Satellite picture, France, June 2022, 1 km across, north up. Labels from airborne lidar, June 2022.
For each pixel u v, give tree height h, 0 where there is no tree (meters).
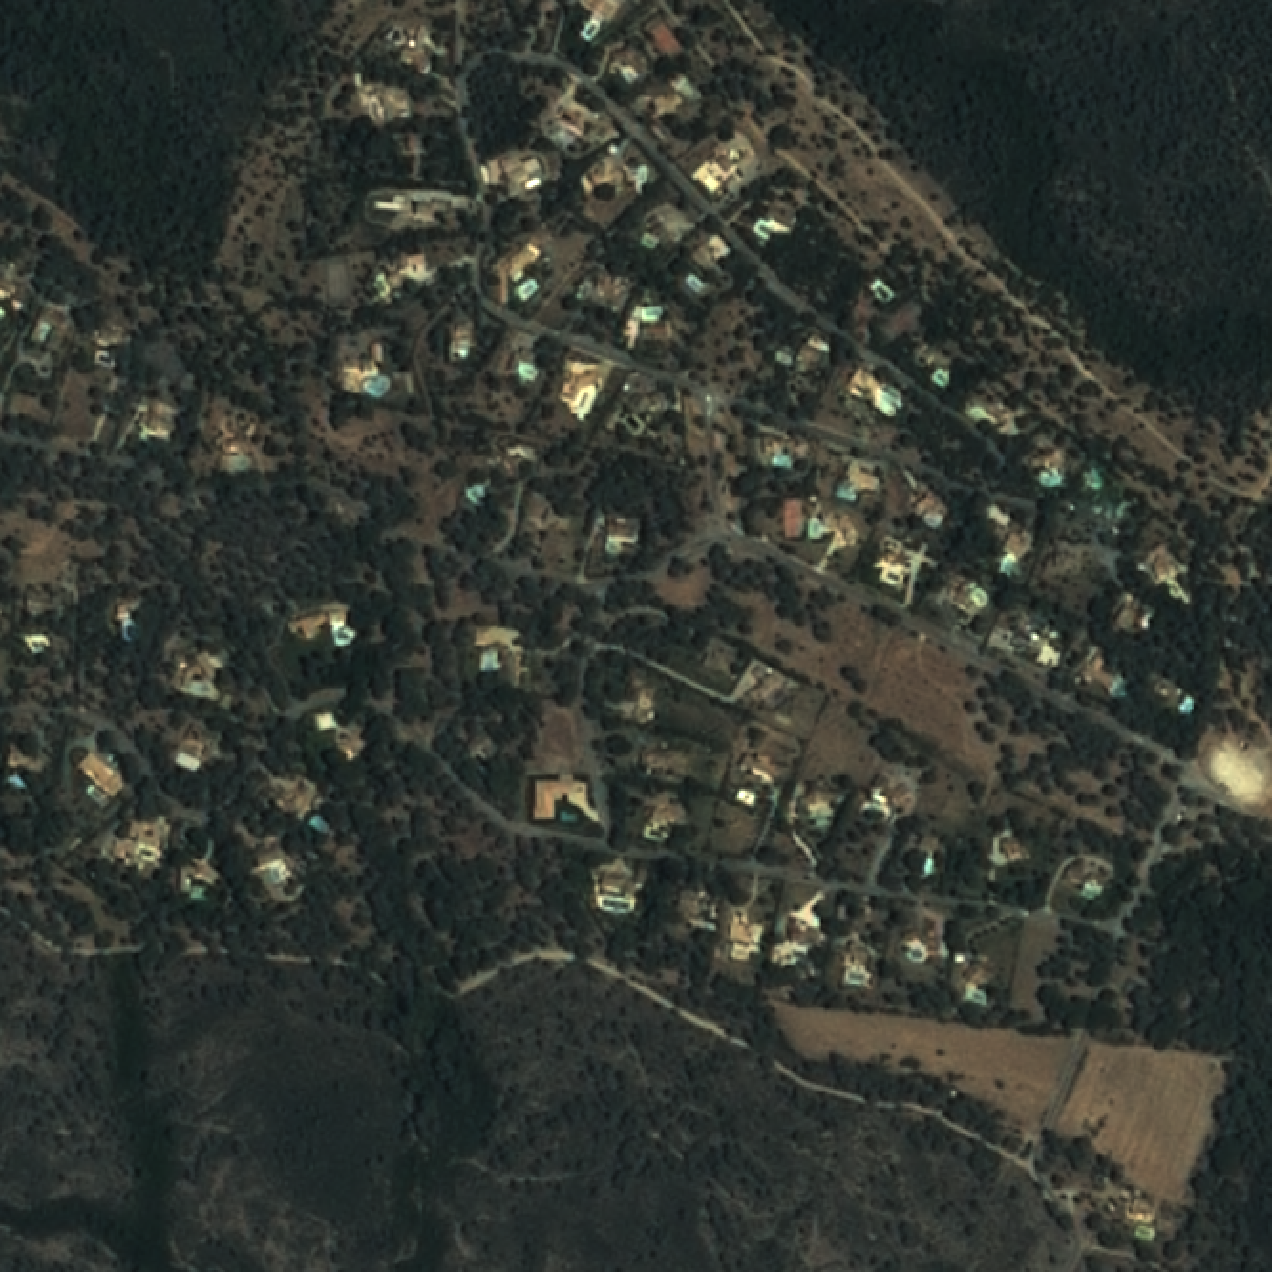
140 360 16
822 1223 0
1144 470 8
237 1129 0
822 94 8
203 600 18
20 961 0
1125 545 13
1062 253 9
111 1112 9
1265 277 7
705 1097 12
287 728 17
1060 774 17
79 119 12
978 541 15
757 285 7
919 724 0
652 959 14
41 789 18
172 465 16
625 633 11
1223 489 0
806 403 15
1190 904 16
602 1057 0
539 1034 9
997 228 6
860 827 7
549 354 13
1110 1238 11
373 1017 12
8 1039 0
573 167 15
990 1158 10
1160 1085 0
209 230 8
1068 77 14
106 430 0
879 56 16
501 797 11
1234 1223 8
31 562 0
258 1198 0
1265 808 0
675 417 11
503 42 15
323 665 18
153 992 8
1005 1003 15
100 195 7
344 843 17
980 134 10
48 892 15
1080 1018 16
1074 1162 12
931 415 8
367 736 11
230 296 15
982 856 16
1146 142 12
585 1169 8
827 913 13
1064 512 7
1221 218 12
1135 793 13
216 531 17
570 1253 0
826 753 0
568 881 14
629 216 14
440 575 17
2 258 16
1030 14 7
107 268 6
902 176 0
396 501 14
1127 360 11
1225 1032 15
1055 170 10
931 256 8
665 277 8
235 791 18
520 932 15
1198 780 0
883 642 0
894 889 13
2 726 14
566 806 0
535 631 13
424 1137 13
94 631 13
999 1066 0
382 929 18
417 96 16
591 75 13
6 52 13
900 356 7
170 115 9
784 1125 0
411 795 18
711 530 0
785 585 15
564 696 13
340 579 19
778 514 8
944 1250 0
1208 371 8
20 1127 0
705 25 14
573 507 16
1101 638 16
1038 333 7
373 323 7
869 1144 7
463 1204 0
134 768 16
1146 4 8
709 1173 9
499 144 7
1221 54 9
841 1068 15
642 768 8
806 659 0
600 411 6
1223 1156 15
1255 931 6
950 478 8
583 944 8
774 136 12
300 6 7
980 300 7
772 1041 12
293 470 19
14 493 16
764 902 5
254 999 11
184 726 14
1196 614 14
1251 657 14
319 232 14
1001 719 14
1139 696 16
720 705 8
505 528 17
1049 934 0
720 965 0
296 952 13
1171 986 18
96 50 11
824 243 7
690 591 0
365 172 12
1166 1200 0
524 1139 8
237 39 9
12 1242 0
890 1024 0
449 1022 7
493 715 11
